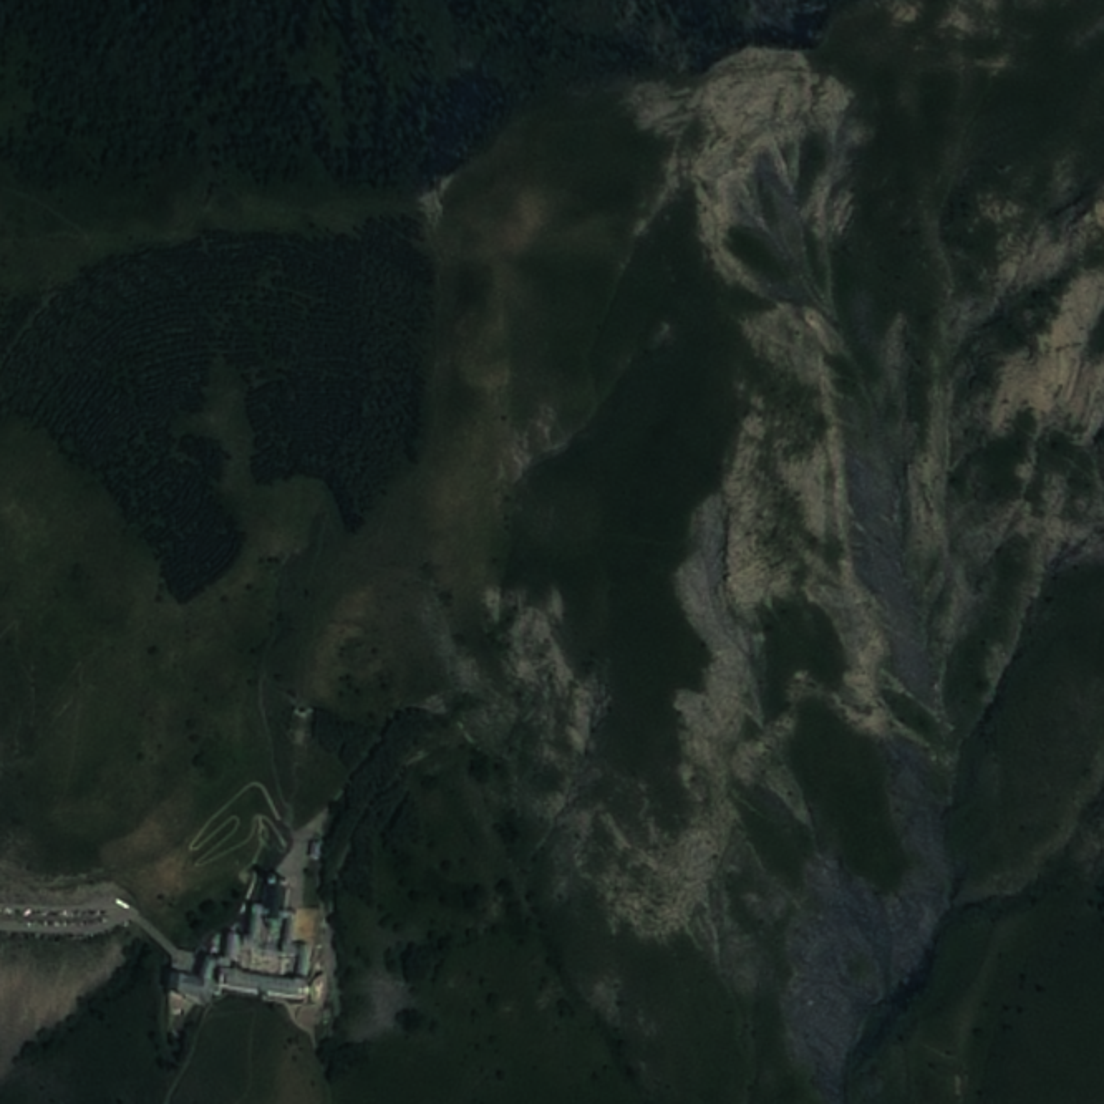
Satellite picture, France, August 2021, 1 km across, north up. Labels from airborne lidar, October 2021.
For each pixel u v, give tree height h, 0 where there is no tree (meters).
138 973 13
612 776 0
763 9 0
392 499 0
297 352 6
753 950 0
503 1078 12
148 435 9
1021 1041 0
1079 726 0
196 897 0
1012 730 0
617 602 0
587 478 0
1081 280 0
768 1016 0
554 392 0
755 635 0
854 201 0
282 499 0
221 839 0
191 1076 0
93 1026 0
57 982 0
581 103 0
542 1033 0
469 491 0
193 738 7
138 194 0
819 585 0
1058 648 0
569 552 0
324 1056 17
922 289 0
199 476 7
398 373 11
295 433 9
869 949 0
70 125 12
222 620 0
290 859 0
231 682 0
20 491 0
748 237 0
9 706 0
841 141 0
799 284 0
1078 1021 0
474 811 0
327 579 0
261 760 0
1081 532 0
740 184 0
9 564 0
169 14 19
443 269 0
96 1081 0
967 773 0
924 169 0
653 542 0
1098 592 0
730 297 0
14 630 0
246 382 6
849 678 0
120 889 0
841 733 0
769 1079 0
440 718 6
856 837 0
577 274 0
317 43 8
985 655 0
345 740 18
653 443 0
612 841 0
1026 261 0
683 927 0
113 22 8
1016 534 0
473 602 0
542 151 0
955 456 0
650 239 0
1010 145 0
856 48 0
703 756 0
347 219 0
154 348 8
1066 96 0
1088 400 0
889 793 0
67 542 0
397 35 15
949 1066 0
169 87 9
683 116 0
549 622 0
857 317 0
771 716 0
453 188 0
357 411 8
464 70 0
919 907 0
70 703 0
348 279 9
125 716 0
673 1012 0
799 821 0
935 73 0
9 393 9
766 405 0
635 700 0
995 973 0
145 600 0
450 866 10
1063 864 0
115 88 10
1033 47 0
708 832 0
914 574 0
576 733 0
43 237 0
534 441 0
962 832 0
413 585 0
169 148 8
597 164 0
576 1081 0
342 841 15
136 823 0
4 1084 0
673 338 0
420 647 0
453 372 0
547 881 0
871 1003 0
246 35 10
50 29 8
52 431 7
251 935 0
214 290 9
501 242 0
